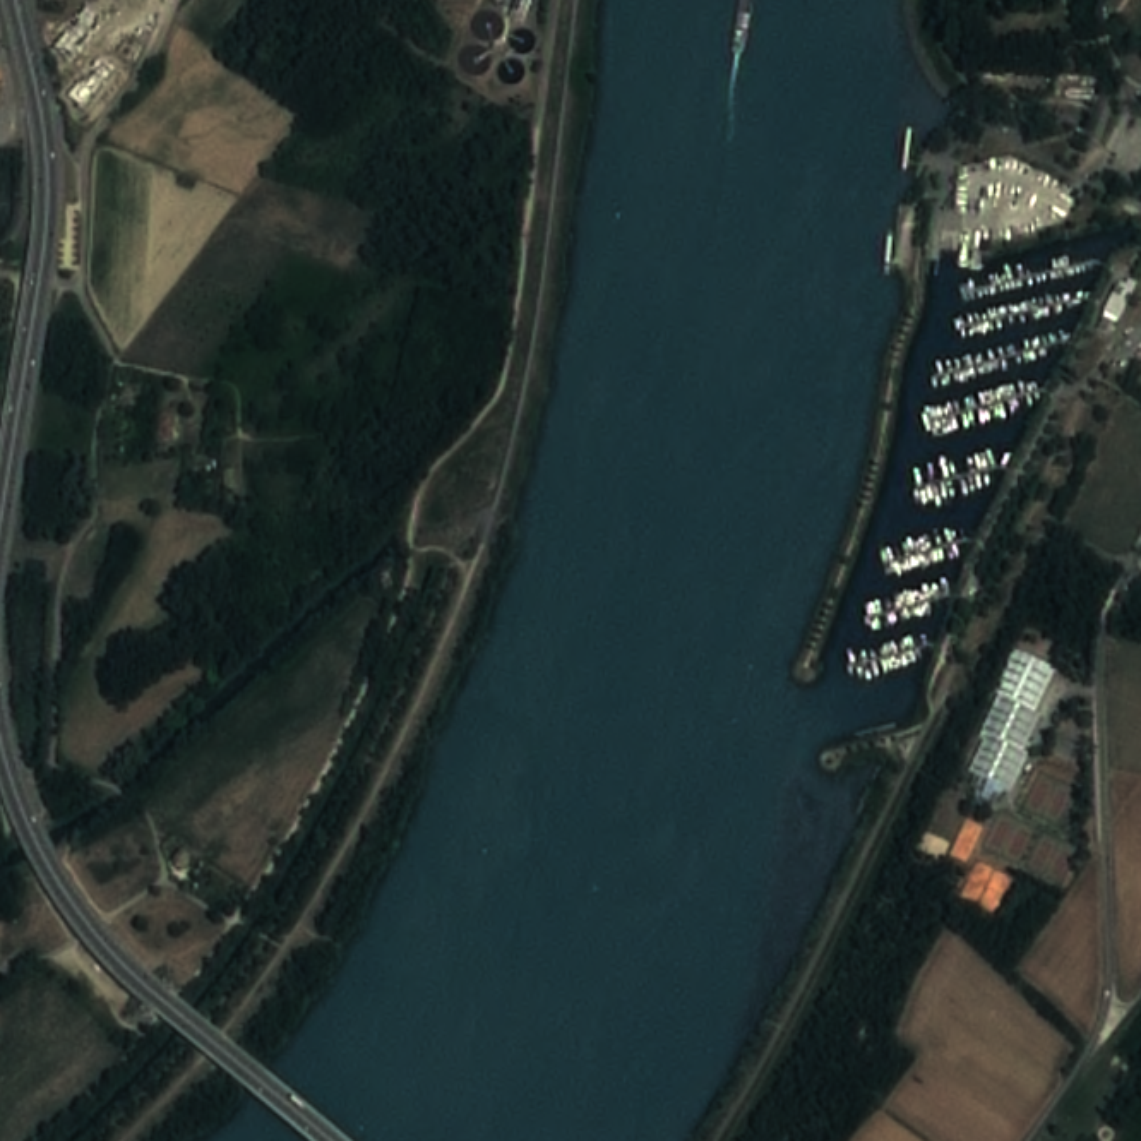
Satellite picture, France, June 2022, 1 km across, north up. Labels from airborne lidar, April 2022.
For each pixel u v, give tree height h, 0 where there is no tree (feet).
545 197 0
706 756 0
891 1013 53
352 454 70
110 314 0
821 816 0
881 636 0
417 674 26
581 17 0
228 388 19
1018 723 0
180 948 0
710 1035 0
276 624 41
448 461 0
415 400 55
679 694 0
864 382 0
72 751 0
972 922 49
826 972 0
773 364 0
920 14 0
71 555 0
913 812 43
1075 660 64
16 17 0
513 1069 0
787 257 0
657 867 0
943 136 52
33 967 71
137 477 0
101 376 52
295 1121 0
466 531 0
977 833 0
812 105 0
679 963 0
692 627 0
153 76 33
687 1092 0
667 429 0
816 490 0
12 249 27
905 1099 0
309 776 0
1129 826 0
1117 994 0
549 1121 0
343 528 34
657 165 0
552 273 0
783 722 0
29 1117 0
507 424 0
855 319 0
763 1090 0
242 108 0
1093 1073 0
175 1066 28
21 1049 0
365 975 0
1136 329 0
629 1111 0
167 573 0
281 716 0
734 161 0
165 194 0
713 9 0
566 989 0
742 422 0
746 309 0
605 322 0
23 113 0
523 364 0
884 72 0
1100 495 0
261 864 0
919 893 70
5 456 0
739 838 0
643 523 0
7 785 0
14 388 0
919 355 0
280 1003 22
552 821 0
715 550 0
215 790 0
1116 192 67
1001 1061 0
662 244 0
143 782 48
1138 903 0
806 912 0
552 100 0
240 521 62
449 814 0
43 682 53
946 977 0
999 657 54
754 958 0
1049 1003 24
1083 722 41
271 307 29
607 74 0
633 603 0
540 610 0
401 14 37
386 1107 0
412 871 0
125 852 0
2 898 45
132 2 0
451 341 55
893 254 0
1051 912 49
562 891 0
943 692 0
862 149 0
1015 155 0
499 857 0
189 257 0
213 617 95
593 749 0
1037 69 84
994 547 34
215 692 40
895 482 0
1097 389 49
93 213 0
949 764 64
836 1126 33
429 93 58
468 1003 0
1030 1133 0
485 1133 0
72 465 43
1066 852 0
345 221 0
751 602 0
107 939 0
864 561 0
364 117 27
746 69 0
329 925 71
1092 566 61
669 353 0
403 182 82
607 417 0
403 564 52
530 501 0
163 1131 22
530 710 0
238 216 0
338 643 0
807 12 0
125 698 107
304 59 59
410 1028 0
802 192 0
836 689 0
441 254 95
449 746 0
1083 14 51
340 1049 0
